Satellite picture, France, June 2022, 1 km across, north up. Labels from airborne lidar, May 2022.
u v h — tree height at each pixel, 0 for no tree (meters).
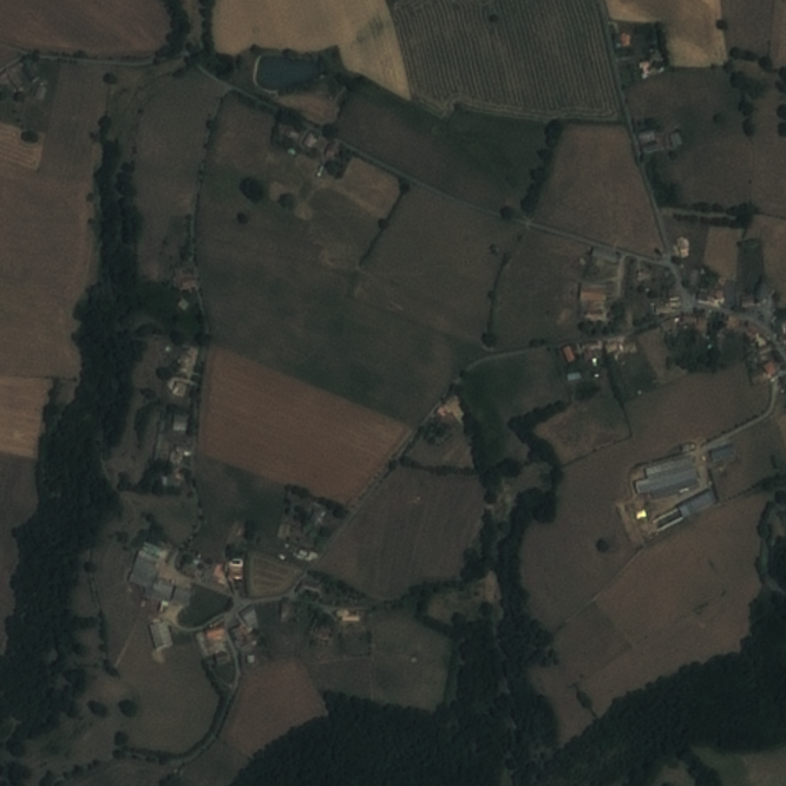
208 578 0
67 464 13
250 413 0
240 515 0
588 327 8
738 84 18
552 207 0
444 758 19
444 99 0
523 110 0
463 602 0
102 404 18
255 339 0
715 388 0
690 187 0
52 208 0
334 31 0
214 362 0
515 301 0
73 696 10
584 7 0
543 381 0
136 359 13
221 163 0
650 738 14
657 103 0
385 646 0
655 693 16
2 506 0
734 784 0
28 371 0
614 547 0
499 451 0
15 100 10
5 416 0
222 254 0
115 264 25
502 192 0
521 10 0
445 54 0
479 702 7
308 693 0
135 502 0
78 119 0
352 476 0
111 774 0
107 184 19
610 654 0
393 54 0
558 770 10
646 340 0
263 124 0
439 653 0
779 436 0
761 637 11
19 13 0
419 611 9
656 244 0
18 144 0
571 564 0
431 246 0
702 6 0
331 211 0
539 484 0
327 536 9
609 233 0
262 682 0
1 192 0
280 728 0
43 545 15
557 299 0
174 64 0
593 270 0
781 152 0
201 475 0
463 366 0
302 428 0
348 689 0
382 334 0
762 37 0
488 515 11
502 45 0
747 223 14
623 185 0
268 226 0
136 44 0
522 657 16
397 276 0
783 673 14
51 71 0
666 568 0
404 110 0
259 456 0
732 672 7
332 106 0
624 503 0
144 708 0
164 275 0
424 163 0
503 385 0
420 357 0
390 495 0
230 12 0
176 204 0
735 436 0
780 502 16
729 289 0
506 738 15
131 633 0
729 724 10
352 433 0
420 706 0
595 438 0
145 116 0
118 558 0
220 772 0
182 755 6
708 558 0
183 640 0
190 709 0
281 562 0
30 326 0
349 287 0
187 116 0
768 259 0
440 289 0
